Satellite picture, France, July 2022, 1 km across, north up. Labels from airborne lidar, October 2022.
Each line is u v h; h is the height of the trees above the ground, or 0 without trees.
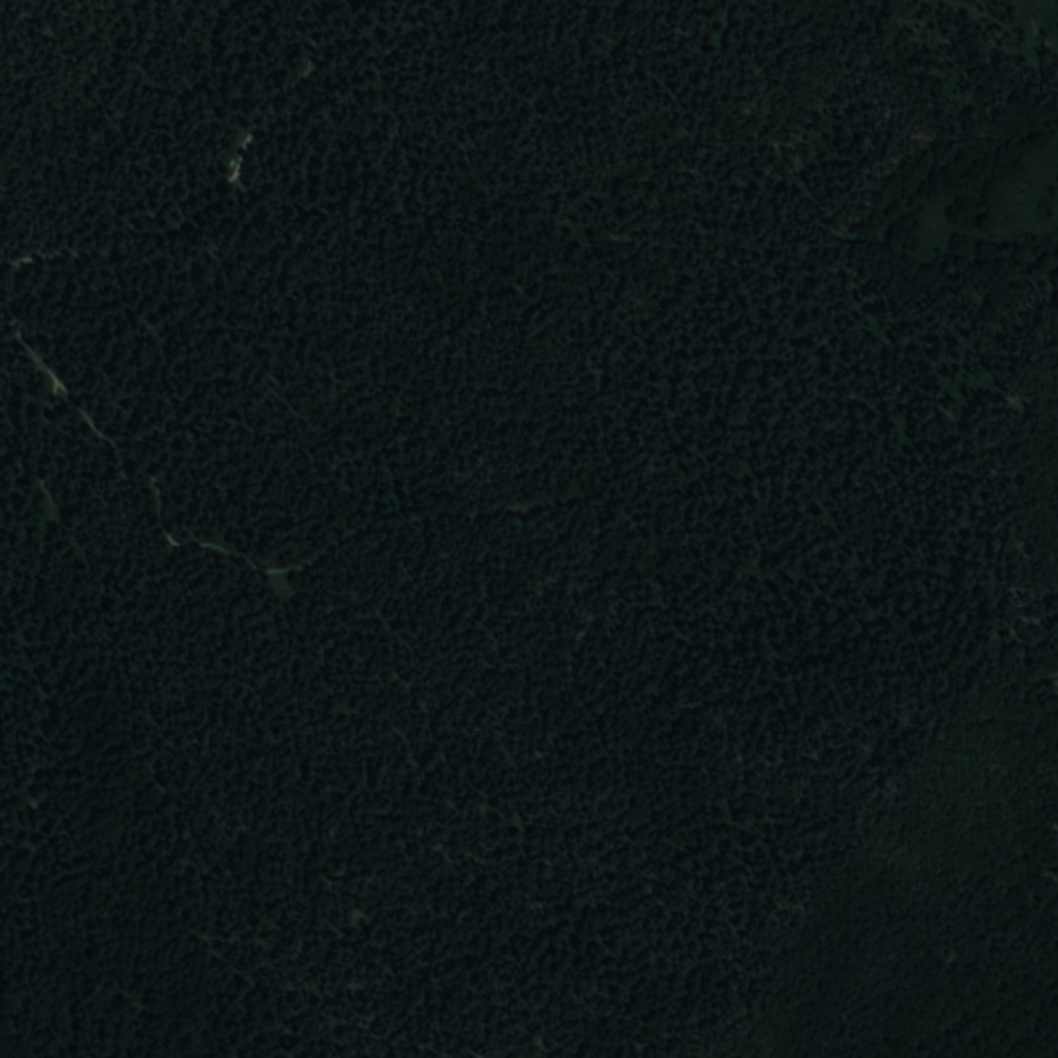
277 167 32
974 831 16
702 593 24
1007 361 10
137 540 17
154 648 6
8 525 24
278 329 21
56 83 17
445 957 21
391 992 12
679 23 20
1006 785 17
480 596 20
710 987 28
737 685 30
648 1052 12
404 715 17
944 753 16
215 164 21
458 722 15
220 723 22
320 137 33
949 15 19
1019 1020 22
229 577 6
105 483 17
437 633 20
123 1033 22
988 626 24
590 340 14
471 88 15
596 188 28
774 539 13
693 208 8
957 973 20
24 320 26
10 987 26
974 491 25
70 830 20
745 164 12
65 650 16
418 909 21
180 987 16
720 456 15
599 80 13
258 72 16
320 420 14
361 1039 14
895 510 36
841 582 12
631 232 12
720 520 18
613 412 25
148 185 20
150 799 23
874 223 19
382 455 16
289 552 16
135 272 19
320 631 12
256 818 13
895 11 24
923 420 33
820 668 30
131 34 17
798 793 8
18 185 15
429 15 24
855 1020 25
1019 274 25
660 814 16
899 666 23
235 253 23
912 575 13
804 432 19
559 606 17
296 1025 21
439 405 21
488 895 17
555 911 15
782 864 24
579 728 18
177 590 12
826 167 21
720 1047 14
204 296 11
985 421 19
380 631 19
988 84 18
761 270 19
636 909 16
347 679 15
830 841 15
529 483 23
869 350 22
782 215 30
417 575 13
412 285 10
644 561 19
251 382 20
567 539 18
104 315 17
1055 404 24
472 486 14
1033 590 27
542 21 16
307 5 34
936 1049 25
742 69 7
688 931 21
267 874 17
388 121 23
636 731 20
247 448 17
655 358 26
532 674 23
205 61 27
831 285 22
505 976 16
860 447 25
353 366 14
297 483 18
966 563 11
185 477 18
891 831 13
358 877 27
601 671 13
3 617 14
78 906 19
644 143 7
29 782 35
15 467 23
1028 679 28
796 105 14
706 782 20
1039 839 25
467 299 7
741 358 16
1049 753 23
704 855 23
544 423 18
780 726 18
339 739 18
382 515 18
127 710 7
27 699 26
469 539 19
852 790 18
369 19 22
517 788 24
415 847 19
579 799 10
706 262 13
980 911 19
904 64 21
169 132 27
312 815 14
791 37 26
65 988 20
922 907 29
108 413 27
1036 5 0
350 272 19
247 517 19
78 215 27
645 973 23
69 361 13
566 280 10
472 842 21
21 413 34
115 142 27
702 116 26
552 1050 19
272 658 13
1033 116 20
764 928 16
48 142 20
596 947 20
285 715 10
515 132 10
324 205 13
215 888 20
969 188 16
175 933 24
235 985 16
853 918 23
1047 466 17
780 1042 18
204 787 15
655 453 24
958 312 31
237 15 10
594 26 21
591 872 9
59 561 22
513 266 14
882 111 22
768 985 22
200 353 20
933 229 0
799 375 18
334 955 15
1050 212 10
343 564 21
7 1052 15
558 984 22
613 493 18
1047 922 26
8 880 27
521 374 19
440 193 10
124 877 23
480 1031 17
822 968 23
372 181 21
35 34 25
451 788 16
